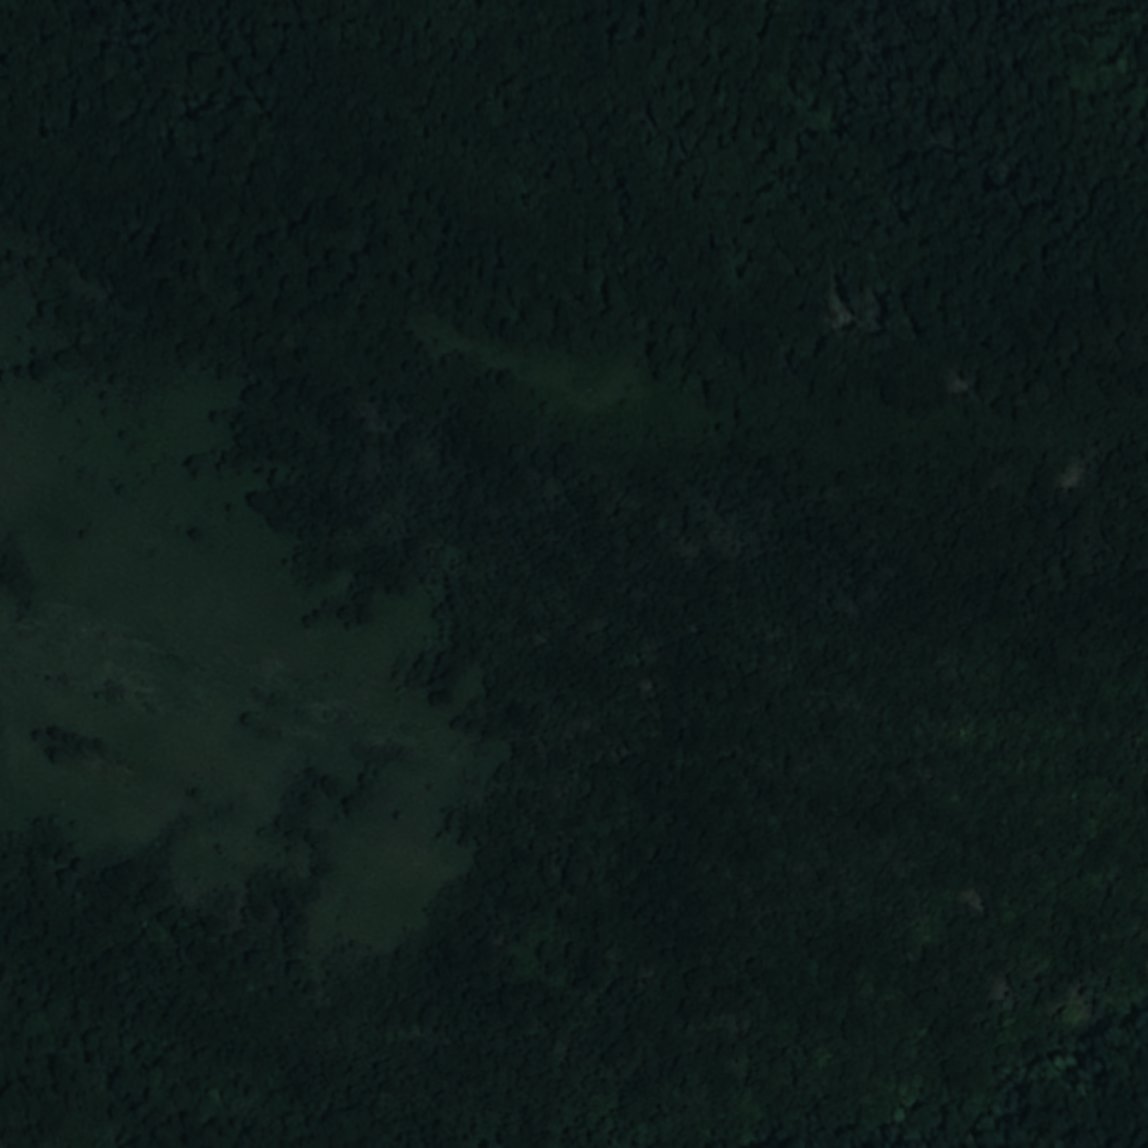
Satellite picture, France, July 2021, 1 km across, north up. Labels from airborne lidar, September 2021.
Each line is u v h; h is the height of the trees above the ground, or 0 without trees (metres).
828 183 32
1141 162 21
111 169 28
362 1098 23
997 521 18
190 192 27
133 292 18
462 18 26
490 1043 12
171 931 10
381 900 0
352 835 0
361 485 14
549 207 26
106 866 9
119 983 21
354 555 9
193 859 0
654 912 17
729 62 20
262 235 11
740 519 20
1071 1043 27
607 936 11
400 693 8
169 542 0
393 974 7
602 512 22
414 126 21
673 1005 13
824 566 17
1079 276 25
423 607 0
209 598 0
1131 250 17
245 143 25
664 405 0
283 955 9
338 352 10
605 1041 19
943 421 12
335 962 7
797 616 20
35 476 0
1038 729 18
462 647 17
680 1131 17
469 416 16
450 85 29
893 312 27
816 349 14
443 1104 23
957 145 11
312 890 9
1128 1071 30
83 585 0
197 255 12
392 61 23
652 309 14
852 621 15
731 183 29
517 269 23
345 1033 10
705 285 29
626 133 22
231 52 22
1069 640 16
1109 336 7
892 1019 15
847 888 11
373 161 23
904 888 14
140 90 27
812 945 19
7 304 0
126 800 0
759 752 16
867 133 26
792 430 8
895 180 20
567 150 24
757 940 14
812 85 29
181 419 0
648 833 19
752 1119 19
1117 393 21
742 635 14
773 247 30
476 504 11
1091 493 11
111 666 0
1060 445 10
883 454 10
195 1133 26
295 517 15
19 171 19
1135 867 20
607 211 26
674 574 16
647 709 17
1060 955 14
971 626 11
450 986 22
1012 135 22
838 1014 21
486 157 32
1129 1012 26
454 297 12
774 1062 14
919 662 13
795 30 30
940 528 20
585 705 17
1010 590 21
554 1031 16
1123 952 22
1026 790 10
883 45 15
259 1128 18
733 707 19
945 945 10
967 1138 24
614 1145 19
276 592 0
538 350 7
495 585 14
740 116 20
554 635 16
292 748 0
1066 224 22
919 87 22
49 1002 11
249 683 0
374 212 16
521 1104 14
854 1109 14
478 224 25
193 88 12
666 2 20
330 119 26
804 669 15
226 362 8
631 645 20
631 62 25
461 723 11
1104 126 23
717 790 20
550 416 8
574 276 26
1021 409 20
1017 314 28
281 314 16
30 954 22
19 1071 13
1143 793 16
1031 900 20
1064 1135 18
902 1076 21
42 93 27
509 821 14
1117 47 27
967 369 24
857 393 26
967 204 22
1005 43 25
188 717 0
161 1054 14
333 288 21
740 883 12
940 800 12
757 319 28
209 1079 11
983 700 18
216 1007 13
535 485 11
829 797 10
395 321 11
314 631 17
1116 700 17
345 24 18
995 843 13
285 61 21
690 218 25
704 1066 21
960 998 16
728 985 17
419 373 16
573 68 24
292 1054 14
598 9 30
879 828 17
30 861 10
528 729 17
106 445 0
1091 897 16
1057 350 15
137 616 0
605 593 19
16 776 0
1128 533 7
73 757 7
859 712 12
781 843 9
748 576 18
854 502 12
